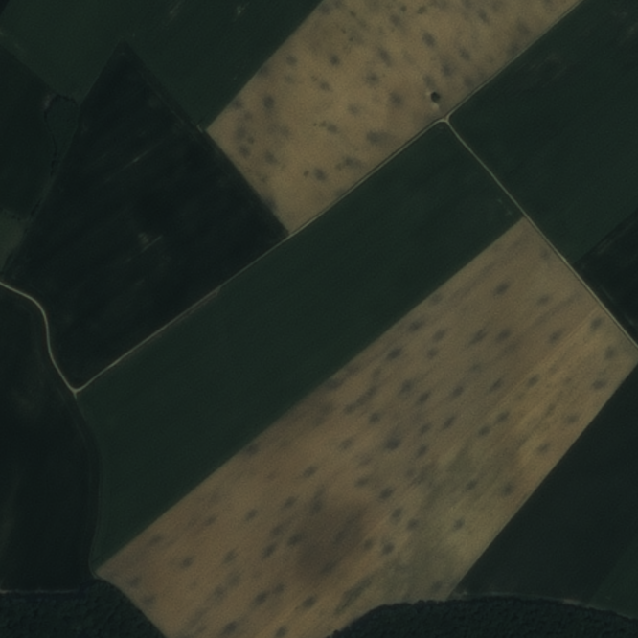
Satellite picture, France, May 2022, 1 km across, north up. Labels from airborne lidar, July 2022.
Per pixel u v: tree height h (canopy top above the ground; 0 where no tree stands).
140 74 0
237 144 0
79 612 31
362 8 0
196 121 0
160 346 0
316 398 0
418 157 0
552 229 0
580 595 0
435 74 0
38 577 0
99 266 0
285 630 0
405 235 0
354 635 22
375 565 0
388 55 0
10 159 0
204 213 0
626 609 0
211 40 0
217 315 0
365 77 0
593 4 0
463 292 0
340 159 0
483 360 0
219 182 0
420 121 0
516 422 0
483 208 0
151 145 0
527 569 0
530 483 0
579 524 0
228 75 0
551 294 0
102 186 0
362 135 0
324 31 0
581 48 0
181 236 0
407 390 0
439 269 0
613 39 0
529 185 0
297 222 0
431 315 0
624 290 0
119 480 0
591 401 0
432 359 0
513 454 0
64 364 0
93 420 0
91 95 0
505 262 0
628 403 0
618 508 0
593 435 0
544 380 0
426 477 0
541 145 0
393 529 0
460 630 24
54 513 0
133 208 0
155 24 0
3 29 0
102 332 0
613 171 0
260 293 0
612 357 0
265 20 0
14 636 33
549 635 29
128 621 27
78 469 0
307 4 0
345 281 0
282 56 0
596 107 0
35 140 0
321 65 0
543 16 0
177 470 0
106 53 0
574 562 0
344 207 0
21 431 0
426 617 25
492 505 0
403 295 0
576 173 0
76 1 0
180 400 0
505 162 0
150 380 0
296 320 0
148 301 0
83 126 0
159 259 0
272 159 0
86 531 0
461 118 0
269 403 0
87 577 0
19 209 0
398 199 0
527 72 0
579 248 0
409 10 0
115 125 0
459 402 0
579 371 0
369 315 0
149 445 0
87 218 0
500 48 0
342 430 0
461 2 0
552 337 0
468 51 0
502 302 0
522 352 0
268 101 0
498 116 0
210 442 0
